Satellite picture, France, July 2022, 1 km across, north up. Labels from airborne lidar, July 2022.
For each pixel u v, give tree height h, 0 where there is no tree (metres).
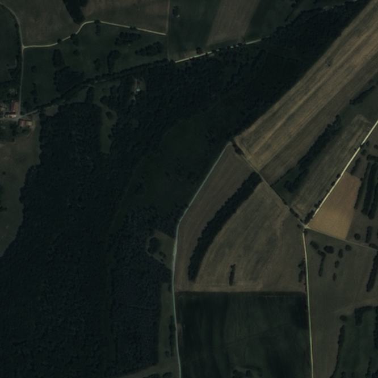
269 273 0
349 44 0
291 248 0
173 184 0
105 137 0
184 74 10
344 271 0
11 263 23
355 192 0
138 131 16
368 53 0
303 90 0
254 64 15
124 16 0
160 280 13
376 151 0
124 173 16
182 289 0
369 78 0
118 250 13
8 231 0
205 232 13
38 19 0
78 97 0
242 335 0
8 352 24
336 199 0
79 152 14
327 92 0
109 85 0
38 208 19
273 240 0
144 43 0
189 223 0
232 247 0
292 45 12
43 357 24
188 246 0
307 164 7
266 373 0
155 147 18
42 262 23
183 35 0
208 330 0
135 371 13
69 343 22
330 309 0
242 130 16
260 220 0
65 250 17
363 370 0
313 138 0
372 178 7
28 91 0
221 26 0
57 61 15
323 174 0
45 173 21
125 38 15
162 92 16
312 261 0
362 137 0
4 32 0
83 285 19
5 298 24
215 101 18
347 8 20
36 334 16
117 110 6
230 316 0
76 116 17
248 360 0
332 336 0
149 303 14
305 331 0
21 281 24
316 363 0
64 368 22
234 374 9
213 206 0
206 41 0
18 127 9
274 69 7
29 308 17
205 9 0
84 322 19
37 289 21
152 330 14
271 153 0
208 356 0
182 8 0
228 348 0
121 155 15
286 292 0
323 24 13
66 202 16
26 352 23
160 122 12
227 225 0
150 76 9
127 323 10
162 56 0
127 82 11
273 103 14
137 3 0
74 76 15
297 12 0
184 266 0
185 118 19
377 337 13
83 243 19
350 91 0
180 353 0
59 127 18
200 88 15
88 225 18
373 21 0
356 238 9
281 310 0
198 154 0
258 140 0
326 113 0
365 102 0
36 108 7
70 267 19
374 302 0
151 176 0
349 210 0
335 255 0
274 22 0
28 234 23
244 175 0
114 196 16
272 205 0
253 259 0
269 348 0
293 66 10
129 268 14
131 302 17
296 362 0
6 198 0
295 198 0
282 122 0
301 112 0
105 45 0
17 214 0
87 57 0
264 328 0
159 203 0
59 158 18
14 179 0
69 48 0
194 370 0
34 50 0
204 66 18
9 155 0
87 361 25
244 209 0
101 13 0
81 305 18
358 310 8
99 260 19
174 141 0
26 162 0
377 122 0
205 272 0
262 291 0
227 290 0
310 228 0
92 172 17
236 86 19
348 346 0
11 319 23
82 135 17
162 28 0
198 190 0
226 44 0
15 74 12
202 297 0
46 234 18
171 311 0
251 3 0
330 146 0
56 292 17
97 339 18
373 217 7
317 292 0
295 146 0
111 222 21
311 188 0
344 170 0
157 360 11
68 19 0
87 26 0
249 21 0
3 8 8
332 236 0
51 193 17
